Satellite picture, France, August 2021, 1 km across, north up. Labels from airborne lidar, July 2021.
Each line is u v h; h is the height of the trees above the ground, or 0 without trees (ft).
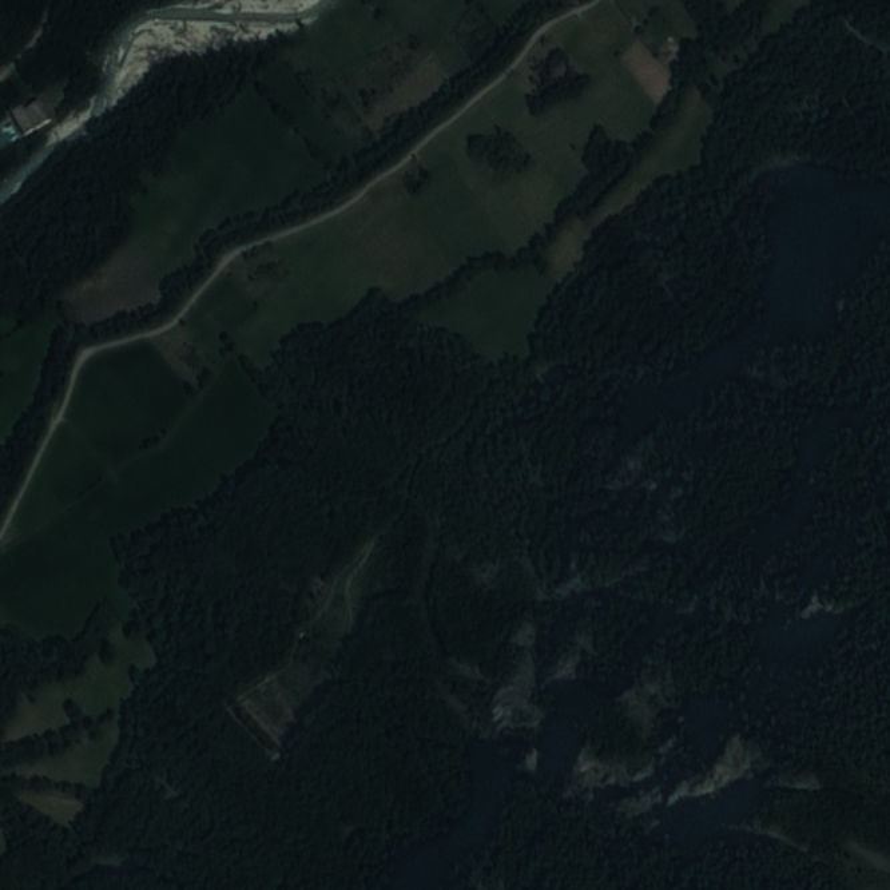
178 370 0
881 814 27
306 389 70
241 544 64
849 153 63
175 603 35
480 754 30
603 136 44
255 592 53
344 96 20
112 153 29
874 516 38
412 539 23
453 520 30
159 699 52
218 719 60
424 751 70
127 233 52
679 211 43
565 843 57
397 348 67
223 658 90
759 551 56
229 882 51
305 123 0
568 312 76
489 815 49
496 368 55
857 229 53
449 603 20
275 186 0
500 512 38
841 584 41
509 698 0
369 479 22
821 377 34
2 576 0
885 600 66
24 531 0
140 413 0
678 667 47
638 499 30
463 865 49
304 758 53
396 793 56
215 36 0
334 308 0
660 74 0
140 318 38
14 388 0
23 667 79
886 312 58
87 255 51
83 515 0
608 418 70
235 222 54
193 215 0
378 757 76
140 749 70
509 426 47
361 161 67
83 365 0
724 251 73
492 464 68
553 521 32
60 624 0
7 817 40
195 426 0
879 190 36
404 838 52
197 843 52
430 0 0
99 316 0
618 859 28
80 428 0
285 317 0
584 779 0
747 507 57
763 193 80
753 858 60
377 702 60
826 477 43
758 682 19
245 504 80
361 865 27
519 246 0
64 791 39
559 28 0
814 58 52
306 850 56
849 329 59
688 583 31
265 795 42
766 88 64
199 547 79
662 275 32
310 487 67
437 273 0
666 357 44
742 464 60
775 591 45
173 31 0
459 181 0
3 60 59
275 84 0
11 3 55
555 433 63
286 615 46
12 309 38
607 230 59
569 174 0
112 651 68
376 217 0
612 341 38
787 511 82
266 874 46
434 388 57
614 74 0
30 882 79
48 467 0
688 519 36
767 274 53
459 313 0
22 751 70
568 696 47
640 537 61
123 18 33
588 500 53
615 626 34
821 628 23
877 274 31
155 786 52
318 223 0
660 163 0
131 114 67
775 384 40
